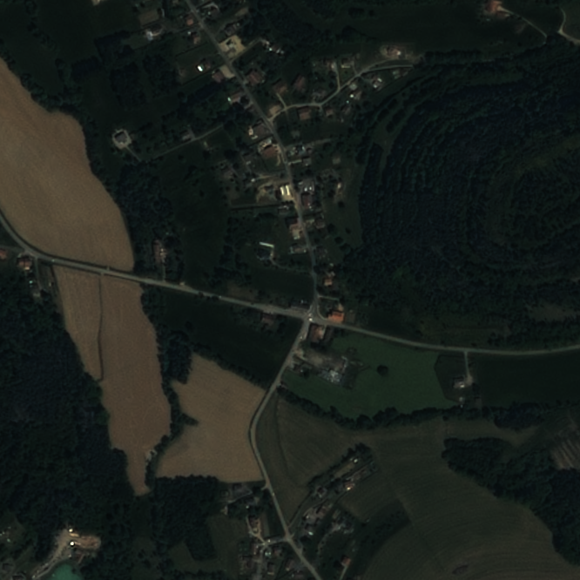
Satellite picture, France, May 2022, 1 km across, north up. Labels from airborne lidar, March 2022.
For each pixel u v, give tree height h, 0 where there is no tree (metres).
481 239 25
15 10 0
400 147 14
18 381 29
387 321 0
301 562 0
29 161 0
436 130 14
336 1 20
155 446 0
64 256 0
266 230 0
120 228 0
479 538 0
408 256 22
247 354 0
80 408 35
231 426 0
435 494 0
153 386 0
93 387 23
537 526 0
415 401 0
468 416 7
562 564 0
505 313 11
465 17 0
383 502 0
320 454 0
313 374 0
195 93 0
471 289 24
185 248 0
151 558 0
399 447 0
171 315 0
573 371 0
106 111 0
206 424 0
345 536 0
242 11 0
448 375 0
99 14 0
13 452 29
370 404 0
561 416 0
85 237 0
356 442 0
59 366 32
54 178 0
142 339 0
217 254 0
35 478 21
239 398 0
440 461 0
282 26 19
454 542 0
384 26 0
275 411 0
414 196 23
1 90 0
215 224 0
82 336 0
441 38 0
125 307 0
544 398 0
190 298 0
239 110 24
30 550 0
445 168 21
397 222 25
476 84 0
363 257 20
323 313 0
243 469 0
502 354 0
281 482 0
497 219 0
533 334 19
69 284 0
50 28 0
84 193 0
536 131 19
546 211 9
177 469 0
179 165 0
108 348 0
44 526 29
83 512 25
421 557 0
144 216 28
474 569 0
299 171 0
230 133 14
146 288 21
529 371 0
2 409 29
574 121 19
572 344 15
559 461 0
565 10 0
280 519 0
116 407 0
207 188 0
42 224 0
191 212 0
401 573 0
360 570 0
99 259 0
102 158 15
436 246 24
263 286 0
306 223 0
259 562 0
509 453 0
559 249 29
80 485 20
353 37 22
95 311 0
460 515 0
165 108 0
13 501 25
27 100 0
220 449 0
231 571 0
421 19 0
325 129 0
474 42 0
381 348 0
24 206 0
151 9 0
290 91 0
